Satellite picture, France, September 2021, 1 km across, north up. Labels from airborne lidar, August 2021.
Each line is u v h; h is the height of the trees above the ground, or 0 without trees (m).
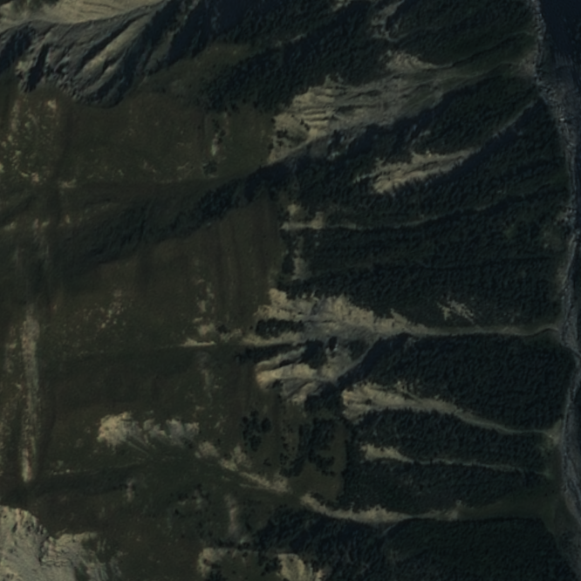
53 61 0
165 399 0
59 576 0
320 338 0
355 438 21
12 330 0
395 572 12
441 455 10
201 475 0
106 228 0
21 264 0
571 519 0
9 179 0
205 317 0
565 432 0
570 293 0
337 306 0
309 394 0
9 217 0
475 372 22
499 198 9
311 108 0
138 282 0
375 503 8
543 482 21
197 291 0
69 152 0
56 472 0
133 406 0
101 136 0
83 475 0
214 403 0
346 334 0
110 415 0
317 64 17
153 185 0
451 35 7
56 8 0
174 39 0
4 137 0
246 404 0
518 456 15
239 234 0
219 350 0
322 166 6
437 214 20
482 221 17
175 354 0
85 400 0
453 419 12
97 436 0
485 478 22
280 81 12
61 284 0
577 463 0
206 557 0
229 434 0
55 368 0
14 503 0
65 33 0
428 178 0
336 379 0
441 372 24
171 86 0
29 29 0
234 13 0
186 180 0
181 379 0
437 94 0
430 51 7
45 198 0
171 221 0
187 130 0
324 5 10
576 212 0
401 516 0
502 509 0
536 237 20
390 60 7
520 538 12
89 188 0
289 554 0
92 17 0
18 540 0
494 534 13
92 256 0
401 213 17
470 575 6
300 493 0
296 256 7
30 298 0
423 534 10
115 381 0
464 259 18
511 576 7
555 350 10
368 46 16
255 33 16
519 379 26
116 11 0
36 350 0
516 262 13
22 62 0
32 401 0
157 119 0
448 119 9
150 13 0
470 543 8
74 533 0
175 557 0
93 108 0
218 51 0
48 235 0
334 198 15
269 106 11
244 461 0
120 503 0
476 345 13
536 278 14
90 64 0
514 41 8
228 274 0
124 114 0
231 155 0
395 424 16
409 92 0
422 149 10
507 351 14
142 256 0
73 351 0
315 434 12
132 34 0
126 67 0
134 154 0
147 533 0
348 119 0
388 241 10
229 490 0
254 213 0
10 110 0
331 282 16
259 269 0
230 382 0
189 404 0
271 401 0
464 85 0
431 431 19
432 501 8
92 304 0
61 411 0
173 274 0
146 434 0
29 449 0
